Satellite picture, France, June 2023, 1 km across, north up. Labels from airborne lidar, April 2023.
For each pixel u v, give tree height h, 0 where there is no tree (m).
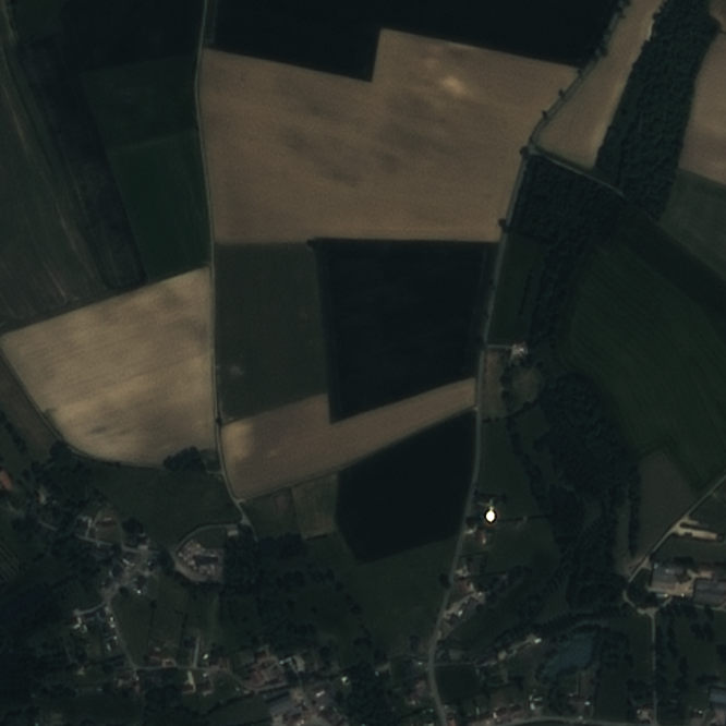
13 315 0
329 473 0
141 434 0
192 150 0
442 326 0
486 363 0
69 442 0
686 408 0
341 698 18
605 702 0
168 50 0
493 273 0
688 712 0
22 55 0
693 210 0
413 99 0
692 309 0
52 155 0
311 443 0
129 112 0
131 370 0
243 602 0
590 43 0
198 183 0
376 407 0
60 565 0
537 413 0
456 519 0
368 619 0
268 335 0
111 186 0
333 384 0
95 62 0
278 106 0
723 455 0
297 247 0
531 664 0
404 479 0
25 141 0
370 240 0
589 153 0
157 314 0
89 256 0
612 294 0
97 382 0
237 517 0
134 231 0
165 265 0
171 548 0
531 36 0
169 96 0
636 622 0
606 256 0
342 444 0
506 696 0
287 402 0
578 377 15
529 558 0
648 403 0
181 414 0
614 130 7
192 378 0
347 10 0
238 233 0
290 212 0
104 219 0
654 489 0
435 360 0
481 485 0
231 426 0
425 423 0
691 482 0
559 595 0
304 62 0
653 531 0
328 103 0
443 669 0
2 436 0
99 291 0
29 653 7
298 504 0
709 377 0
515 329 0
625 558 0
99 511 0
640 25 0
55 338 0
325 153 0
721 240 0
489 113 0
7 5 0
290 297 0
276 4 0
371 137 0
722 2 0
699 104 0
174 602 0
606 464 24
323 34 0
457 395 0
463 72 0
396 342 0
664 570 0
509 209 0
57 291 0
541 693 0
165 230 0
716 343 0
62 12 0
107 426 0
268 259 0
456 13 0
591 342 0
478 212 0
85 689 0
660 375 0
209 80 0
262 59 0
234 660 0
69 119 0
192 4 0
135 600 0
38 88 0
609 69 0
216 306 0
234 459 0
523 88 0
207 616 0
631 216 0
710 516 0
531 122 0
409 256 0
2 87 0
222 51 0
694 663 0
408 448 0
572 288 0
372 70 0
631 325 0
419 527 0
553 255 15
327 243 0
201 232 0
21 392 0
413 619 0
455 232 0
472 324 0
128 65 0
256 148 0
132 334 0
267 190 0
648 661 0
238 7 0
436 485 0
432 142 0
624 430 0
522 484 0
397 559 0
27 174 0
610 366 0
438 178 0
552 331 15
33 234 0
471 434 0
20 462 0
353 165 0
